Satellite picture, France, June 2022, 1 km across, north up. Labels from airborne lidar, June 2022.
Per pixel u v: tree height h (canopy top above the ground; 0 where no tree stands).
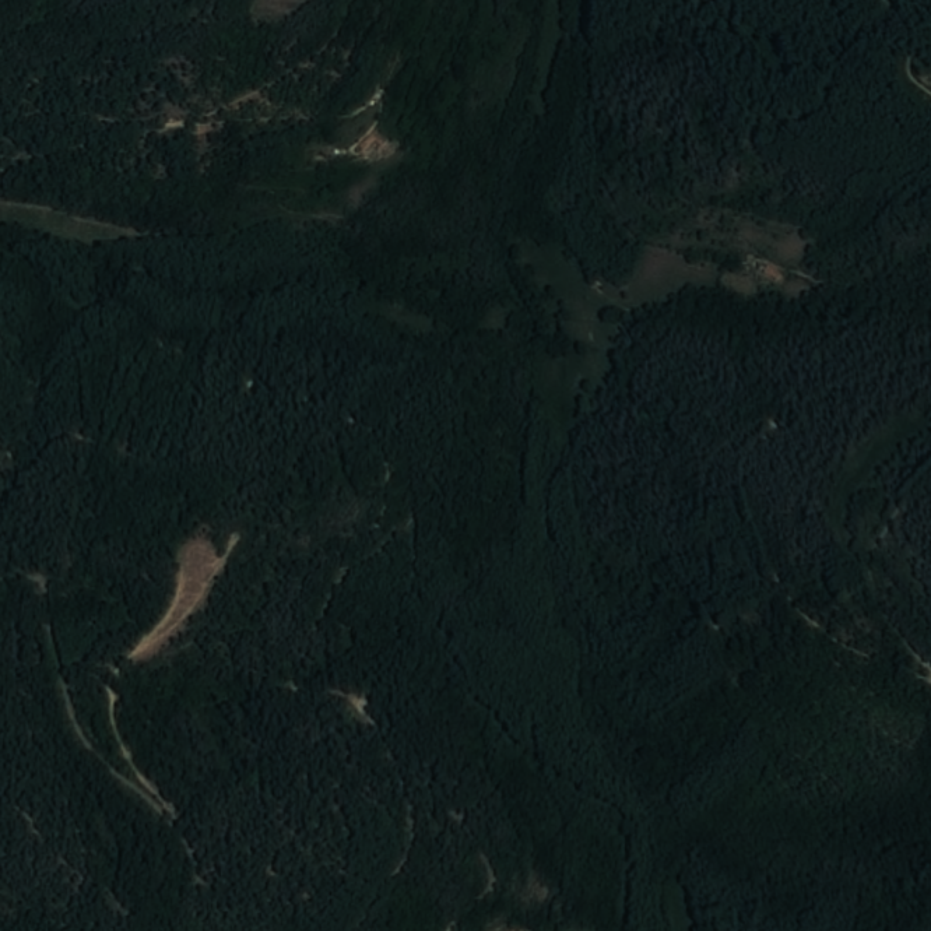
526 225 15
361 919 26
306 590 17
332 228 10
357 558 21
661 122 6
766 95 29
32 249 29
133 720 12
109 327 21
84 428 13
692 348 22
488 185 16
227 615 22
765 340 23
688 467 18
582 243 16
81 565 17
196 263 35
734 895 23
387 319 12
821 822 22
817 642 14
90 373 16
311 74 20
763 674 10
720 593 34
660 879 30
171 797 11
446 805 26
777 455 15
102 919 23
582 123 13
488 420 14
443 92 21
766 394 22
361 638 28
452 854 18
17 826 24
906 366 18
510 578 26
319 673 15
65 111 24
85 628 14
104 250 33
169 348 15
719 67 30
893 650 9
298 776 18
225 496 14
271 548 16
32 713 23
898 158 29
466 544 22
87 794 13
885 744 17
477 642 30
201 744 13
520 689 24
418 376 21
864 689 8
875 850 25
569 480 31
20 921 12
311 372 29
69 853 16
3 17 24
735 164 23
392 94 12
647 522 24
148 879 27
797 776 11
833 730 12
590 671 26
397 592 21
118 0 23
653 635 27
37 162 21
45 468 26
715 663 28
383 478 9
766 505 14
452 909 22
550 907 9
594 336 0
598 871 15
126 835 12
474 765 23
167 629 0
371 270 17
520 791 23
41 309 20
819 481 21
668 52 26
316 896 12
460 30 7
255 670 24
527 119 12
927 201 27
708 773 25
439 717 26
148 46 26
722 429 19
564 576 30
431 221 18
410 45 9
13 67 19
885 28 24
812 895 17
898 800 19
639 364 15
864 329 23
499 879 7
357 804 22
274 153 21
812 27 35
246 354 27
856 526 12
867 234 11
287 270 25
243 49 14
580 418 15
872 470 0
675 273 0
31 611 19
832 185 20
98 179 24
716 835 21
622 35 35
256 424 22
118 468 21
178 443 20
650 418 17
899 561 10
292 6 0
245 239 16
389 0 17
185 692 12
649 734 22
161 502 21
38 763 23
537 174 14
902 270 12
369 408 26
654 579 13
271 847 29
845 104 29
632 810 28
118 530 14
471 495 17
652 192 14
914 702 16
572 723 28
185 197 20
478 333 11
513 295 13
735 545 25
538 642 29
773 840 20
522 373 27
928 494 9
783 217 19
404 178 11
